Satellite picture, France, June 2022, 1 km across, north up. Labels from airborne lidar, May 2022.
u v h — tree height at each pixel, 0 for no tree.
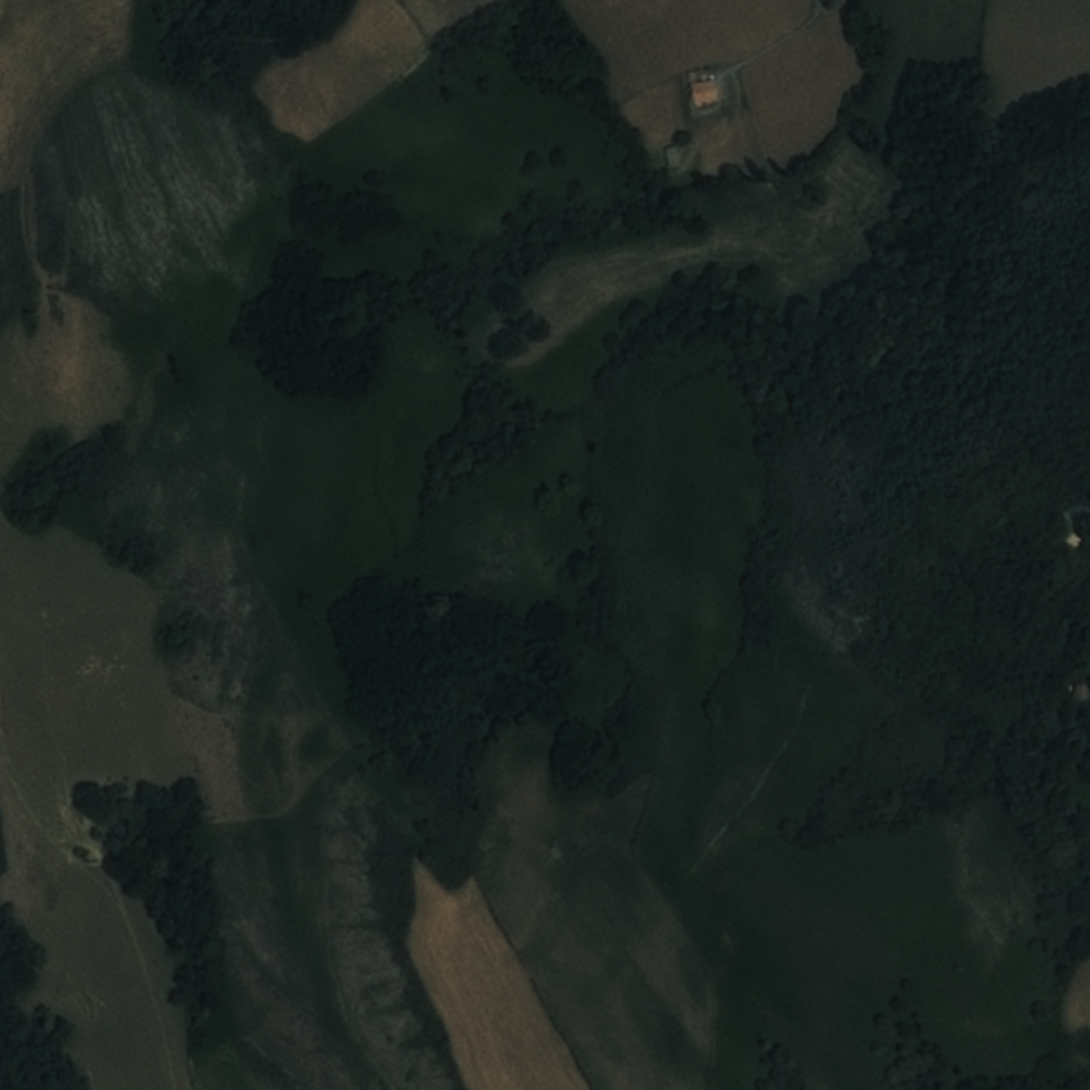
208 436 0
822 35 0
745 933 0
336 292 21
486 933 0
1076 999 0
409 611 19
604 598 8
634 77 0
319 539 0
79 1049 0
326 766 0
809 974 0
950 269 25
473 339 0
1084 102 22
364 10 0
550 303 0
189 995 18
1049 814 10
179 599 0
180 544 0
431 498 11
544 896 0
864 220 0
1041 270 13
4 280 0
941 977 0
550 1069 0
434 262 6
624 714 11
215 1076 0
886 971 0
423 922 0
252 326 9
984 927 0
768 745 0
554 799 0
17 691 0
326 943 0
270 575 0
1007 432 17
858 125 10
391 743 7
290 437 0
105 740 0
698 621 0
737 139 0
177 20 8
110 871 18
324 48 0
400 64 0
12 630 0
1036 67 0
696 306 16
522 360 0
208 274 0
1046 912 10
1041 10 0
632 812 0
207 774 0
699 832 0
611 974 0
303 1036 0
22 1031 18
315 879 0
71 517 0
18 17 0
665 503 0
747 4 0
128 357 0
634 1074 0
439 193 0
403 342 0
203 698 0
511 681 26
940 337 22
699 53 0
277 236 0
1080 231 14
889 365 17
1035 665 14
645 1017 0
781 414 14
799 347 17
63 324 0
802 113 0
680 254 0
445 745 6
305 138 0
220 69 10
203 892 14
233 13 20
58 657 0
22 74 0
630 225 12
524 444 17
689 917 0
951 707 9
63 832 0
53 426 0
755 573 10
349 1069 0
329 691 0
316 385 15
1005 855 0
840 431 8
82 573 0
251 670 0
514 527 0
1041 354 8
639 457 0
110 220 0
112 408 0
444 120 0
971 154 27
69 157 0
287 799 0
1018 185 11
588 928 0
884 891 0
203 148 0
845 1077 0
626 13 0
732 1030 0
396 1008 0
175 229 0
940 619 16
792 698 0
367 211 11
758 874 0
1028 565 8
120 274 0
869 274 26
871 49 17
